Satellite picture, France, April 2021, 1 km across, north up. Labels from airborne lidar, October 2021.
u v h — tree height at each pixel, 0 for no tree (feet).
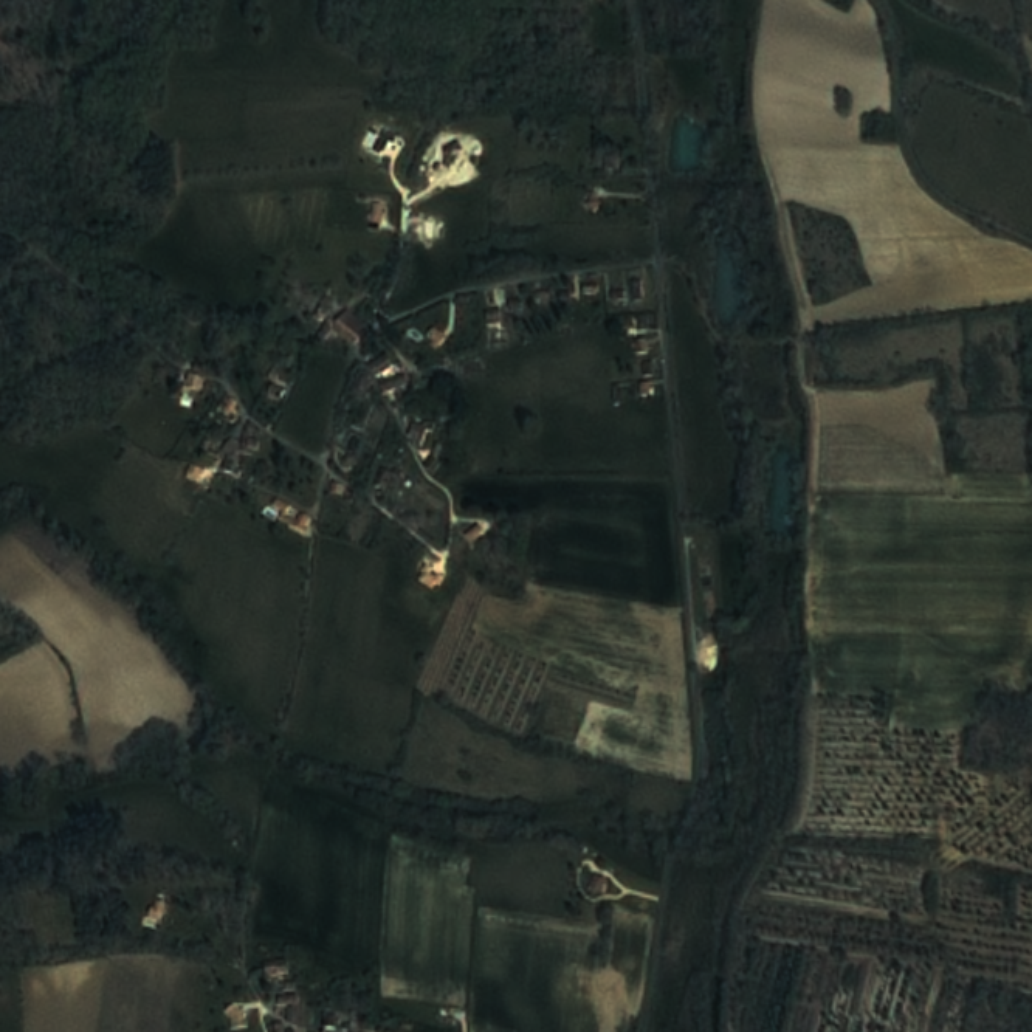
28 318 73
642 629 0
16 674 0
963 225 0
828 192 0
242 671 0
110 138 60
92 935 32
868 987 0
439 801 48
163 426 0
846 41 0
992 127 0
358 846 0
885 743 22
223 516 0
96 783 21
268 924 0
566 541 0
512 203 0
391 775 38
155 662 0
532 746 33
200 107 0
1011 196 0
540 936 0
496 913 0
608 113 49
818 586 0
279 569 0
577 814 0
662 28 47
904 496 0
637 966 0
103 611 0
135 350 71
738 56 0
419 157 18
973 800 20
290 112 0
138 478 0
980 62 0
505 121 0
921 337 0
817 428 0
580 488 0
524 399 0
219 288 0
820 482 0
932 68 0
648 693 0
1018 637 0
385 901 0
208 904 59
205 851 0
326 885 0
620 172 20
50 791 81
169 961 45
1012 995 48
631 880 0
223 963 23
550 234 0
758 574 51
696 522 52
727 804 57
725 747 21
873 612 0
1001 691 44
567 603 0
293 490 38
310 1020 0
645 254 0
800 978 38
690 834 55
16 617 53
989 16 0
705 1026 57
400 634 0
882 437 0
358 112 0
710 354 0
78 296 21
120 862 58
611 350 0
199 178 33
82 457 0
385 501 30
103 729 0
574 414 0
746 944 43
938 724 0
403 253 67
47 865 52
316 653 0
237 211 0
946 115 0
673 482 0
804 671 32
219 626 0
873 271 0
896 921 36
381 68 52
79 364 58
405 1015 0
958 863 0
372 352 52
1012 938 22
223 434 31
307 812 0
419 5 60
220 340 64
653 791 0
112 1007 0
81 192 37
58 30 36
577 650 0
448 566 0
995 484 0
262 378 49
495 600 0
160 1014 0
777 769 50
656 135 53
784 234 0
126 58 64
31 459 0
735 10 0
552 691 0
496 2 49
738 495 39
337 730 0
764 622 24
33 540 0
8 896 58
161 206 57
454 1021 0
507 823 29
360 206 0
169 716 0
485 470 0
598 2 0
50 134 44
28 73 64
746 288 74
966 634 0
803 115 0
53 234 65
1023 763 26
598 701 0
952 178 0
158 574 0
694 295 32
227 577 0
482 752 0
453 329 0
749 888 56
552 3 37
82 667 0
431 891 0
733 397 94
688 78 0
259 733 0
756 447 88
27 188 65
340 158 30
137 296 73
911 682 0
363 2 61
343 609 0
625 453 0
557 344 0
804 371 0
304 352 30
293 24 0
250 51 0
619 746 0
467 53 60
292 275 30
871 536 0
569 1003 0
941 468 0
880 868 22
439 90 59
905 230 0
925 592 0
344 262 0
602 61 40
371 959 0
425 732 0
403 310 0
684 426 0
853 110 0
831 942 36
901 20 0
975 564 0
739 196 80
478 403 0
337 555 0
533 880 0
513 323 24
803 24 0
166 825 0
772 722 47
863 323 22
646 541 0
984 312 32
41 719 0
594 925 0
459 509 0
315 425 0
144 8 54
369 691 0
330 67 0
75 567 0
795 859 34
